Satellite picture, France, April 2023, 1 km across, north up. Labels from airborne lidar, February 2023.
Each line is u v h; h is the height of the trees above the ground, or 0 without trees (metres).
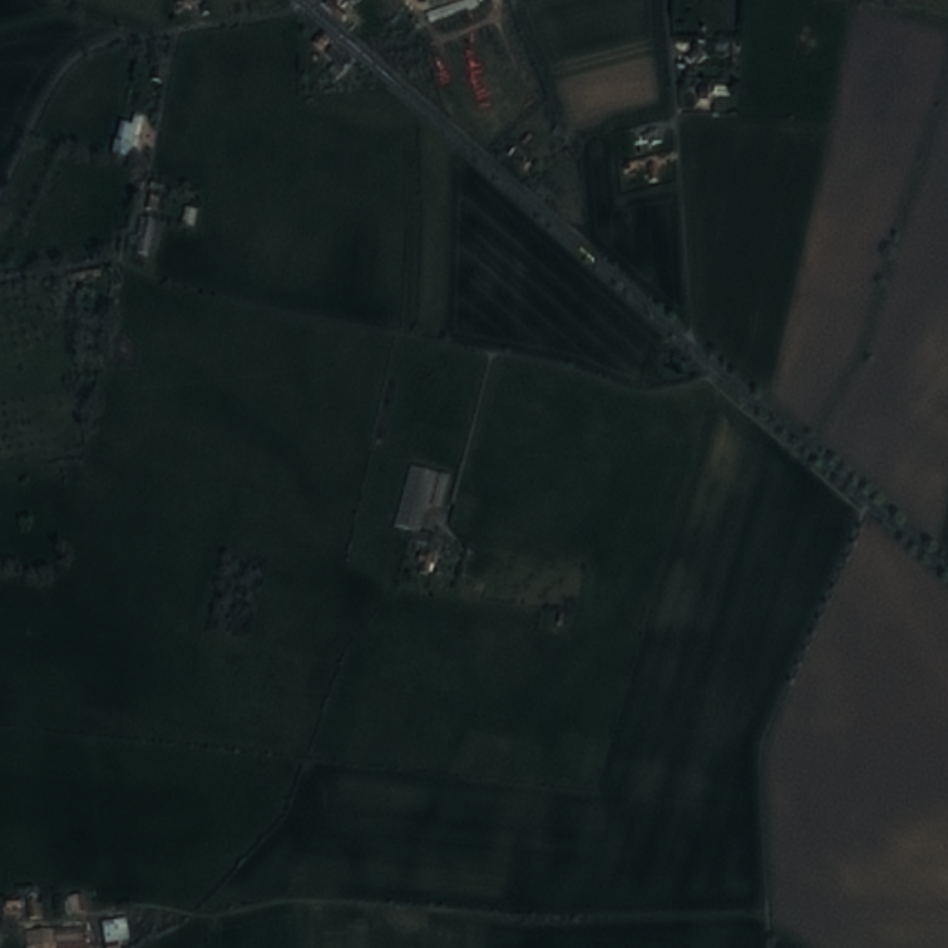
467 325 0
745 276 0
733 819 0
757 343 0
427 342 0
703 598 0
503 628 0
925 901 0
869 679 0
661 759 0
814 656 0
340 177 0
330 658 0
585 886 0
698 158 0
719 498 0
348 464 0
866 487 14
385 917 0
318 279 0
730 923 0
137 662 0
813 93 0
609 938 0
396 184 0
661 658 0
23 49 0
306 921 0
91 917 0
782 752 0
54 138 0
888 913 0
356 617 0
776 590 0
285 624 0
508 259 0
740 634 0
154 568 0
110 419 0
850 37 0
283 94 0
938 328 0
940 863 0
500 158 9
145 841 0
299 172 0
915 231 0
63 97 0
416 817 0
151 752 0
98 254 20
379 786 0
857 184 0
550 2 0
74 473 0
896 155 0
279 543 0
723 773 0
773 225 0
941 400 0
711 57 0
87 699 0
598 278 0
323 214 0
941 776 0
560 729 0
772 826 0
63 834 0
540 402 0
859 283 0
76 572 0
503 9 0
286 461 0
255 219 0
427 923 0
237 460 0
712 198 0
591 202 0
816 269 0
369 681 0
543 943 0
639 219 0
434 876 0
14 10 0
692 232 0
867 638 0
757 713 0
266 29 0
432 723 0
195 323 0
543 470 0
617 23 0
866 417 0
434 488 0
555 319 0
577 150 10
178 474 0
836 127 0
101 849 0
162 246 0
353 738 0
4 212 21
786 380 0
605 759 0
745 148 0
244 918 0
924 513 0
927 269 0
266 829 0
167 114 0
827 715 0
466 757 0
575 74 0
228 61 0
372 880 0
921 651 0
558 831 0
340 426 0
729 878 0
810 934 0
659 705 0
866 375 0
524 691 0
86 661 0
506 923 0
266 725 0
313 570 0
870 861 0
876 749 0
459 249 0
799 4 0
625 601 0
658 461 0
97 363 20
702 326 0
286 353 0
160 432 0
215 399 0
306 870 0
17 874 0
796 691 0
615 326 0
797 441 12
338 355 0
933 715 0
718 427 0
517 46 0
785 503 0
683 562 0
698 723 0
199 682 0
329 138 0
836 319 0
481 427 0
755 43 0
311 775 0
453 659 0
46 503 0
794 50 0
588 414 0
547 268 0
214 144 0
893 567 0
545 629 0
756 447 0
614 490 0
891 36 0
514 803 0
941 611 0
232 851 0
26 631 0
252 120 0
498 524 0
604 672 0
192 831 0
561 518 0
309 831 0
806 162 0
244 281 0
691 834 0
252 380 0
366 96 0
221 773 0
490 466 0
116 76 0
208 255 0
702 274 0
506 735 0
